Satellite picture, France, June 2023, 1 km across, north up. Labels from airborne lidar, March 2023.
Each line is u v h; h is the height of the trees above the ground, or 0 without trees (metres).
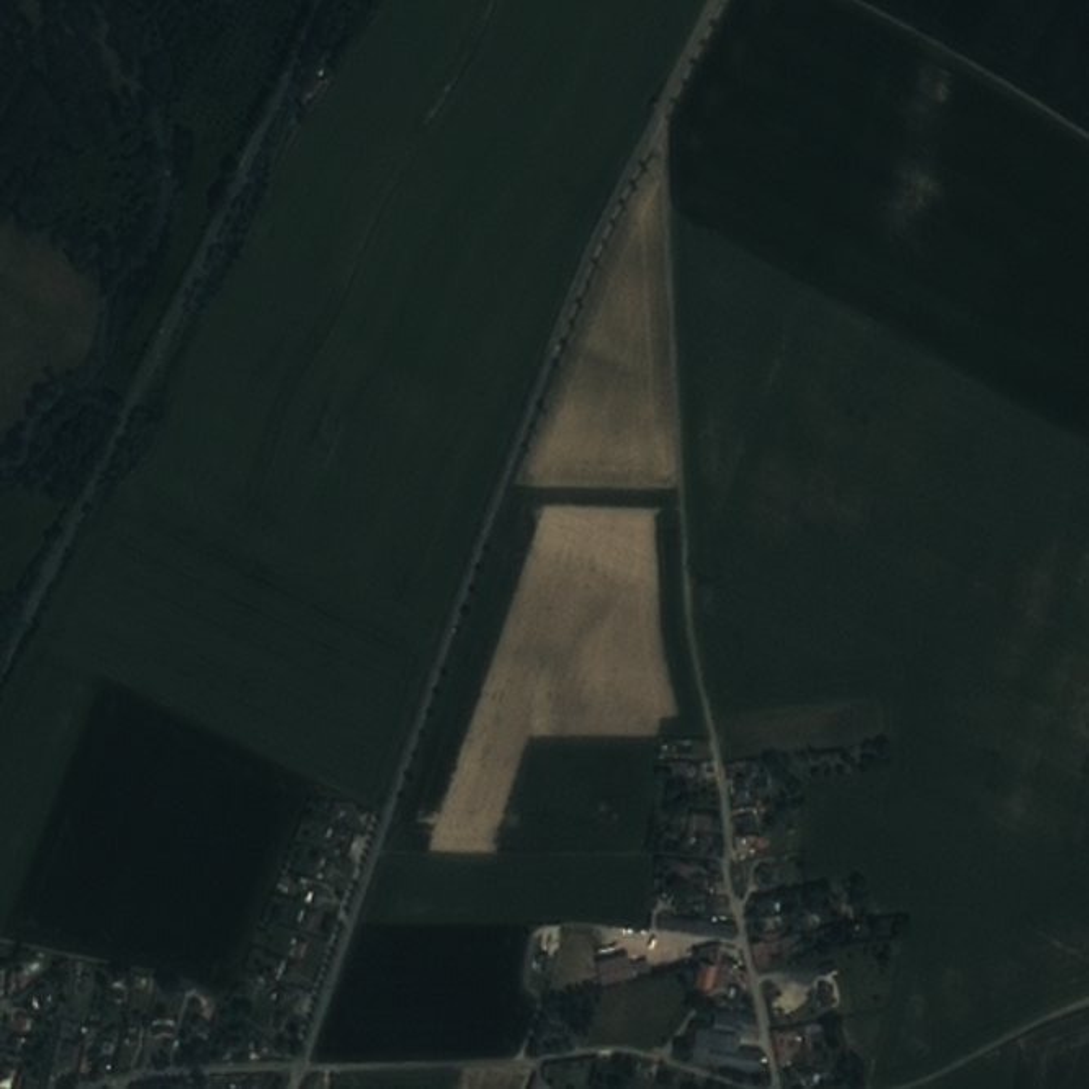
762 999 0
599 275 0
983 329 0
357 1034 0
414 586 0
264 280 0
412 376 0
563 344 8
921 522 0
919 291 0
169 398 0
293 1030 11
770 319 0
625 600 0
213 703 0
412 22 0
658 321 0
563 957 0
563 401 0
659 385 0
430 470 0
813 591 0
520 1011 0
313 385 0
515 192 0
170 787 0
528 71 0
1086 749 0
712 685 0
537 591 0
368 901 0
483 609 0
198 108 0
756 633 0
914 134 0
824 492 0
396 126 0
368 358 0
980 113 0
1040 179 0
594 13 0
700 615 0
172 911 0
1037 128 0
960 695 0
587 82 0
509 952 0
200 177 0
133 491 0
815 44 0
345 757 0
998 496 0
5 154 32
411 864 0
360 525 0
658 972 11
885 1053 0
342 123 0
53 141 38
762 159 0
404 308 0
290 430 0
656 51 0
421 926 0
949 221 0
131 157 8
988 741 0
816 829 0
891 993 0
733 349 0
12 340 0
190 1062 10
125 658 0
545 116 0
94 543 0
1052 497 0
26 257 0
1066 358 0
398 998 0
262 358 0
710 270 0
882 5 0
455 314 0
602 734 0
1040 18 0
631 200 0
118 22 38
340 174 0
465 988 0
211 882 0
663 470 0
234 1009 12
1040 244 0
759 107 0
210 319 0
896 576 0
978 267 0
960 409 0
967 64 0
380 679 0
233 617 0
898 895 0
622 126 0
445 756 0
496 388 0
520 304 0
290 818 0
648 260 0
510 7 0
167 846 0
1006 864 0
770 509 0
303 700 0
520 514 0
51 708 0
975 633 0
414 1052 0
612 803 0
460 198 0
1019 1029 0
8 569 0
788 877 0
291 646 0
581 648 0
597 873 0
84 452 29
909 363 0
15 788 0
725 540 0
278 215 0
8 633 20
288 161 0
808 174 0
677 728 0
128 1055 0
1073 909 0
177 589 0
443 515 0
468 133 0
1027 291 0
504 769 0
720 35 0
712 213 0
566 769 0
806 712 0
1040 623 0
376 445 0
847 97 0
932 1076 0
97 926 0
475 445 0
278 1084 8
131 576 0
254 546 0
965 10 0
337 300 0
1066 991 0
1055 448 0
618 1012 0
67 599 0
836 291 0
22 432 10
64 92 39
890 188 0
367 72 0
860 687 0
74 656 0
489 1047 0
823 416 0
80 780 0
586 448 0
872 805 0
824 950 8
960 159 0
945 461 0
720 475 0
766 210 0
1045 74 0
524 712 0
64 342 0
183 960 0
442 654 0
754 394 0
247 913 0
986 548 0
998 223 0
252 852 0
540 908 0
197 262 0
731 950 0
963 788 0
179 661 0
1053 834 0
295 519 0
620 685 0
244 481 0
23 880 0
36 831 0
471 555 0
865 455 0
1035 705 0
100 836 0
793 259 0
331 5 19
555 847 0
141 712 0
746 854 0
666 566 0
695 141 0
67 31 38
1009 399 0
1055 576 0
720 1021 0
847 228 0
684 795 13
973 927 0
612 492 0
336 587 0
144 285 19
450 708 0
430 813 0
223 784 0
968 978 0
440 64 0
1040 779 0
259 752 0
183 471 0
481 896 0
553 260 0
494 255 0
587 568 0
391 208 0
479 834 0
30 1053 7
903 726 0
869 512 0
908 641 0
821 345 0
